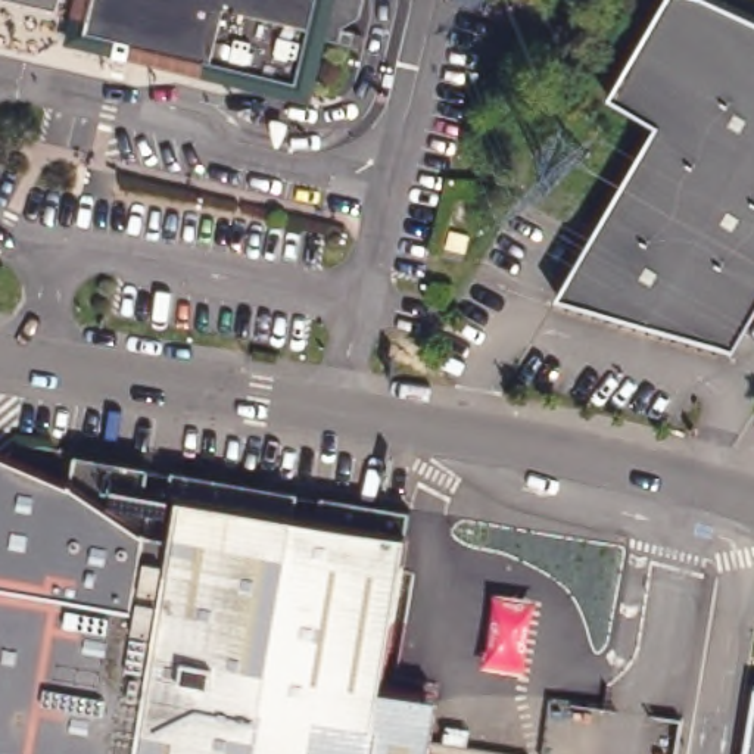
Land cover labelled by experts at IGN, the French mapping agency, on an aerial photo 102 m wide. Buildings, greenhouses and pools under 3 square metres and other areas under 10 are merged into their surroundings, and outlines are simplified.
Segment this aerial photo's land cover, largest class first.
<instances>
[{"label":"impervious surface","instance_id":"1","mask_svg":"<svg viewBox=\"0 0 754 754\"><path fill-rule=\"evenodd\" d=\"M504 0H336L330 12V32L336 35V47L353 53L350 80L345 82L339 97H330L327 88L318 85L309 97V109H289L274 124L256 121L250 112H244L239 85H221L162 68H144L130 62L127 53L94 56L68 47L65 35L59 32L65 0H50L47 9H38L12 0H0V103L21 100L32 103L41 112L38 141L24 147L27 171L18 177L15 186H6V197H0V265L12 268L21 280L18 306L12 312H0V459L56 486L65 483L71 459L144 468L147 486L121 474L112 480V492L121 495L168 501L171 507H191L242 518L312 527L327 533L398 542L404 548V580L389 636L386 666L380 677V695L433 707L436 722L430 730L433 742L427 745V754H742L745 716L754 689V330H742L733 348H716L651 327H642L639 333H624L621 327H610L601 321H589L583 315L554 309V292L568 274L571 262L577 259L586 236L601 218L639 144L645 141V130L627 121L613 156L607 159L595 186L583 197L580 209L560 224L557 218L536 209L545 191L533 183L530 191H524L515 200L512 215L495 230V242L489 247V259H483L480 265L477 283L471 286L465 300H457L430 309L424 303L427 286L424 274L430 271V265L424 262V244L430 242L436 224L433 206L439 203L442 180H451L457 171L448 156L457 153L459 133L474 127L471 112L465 109V91L459 85L477 80V65L457 50L454 18L457 12L492 15V6ZM50 162L71 165V194L35 186L44 165ZM109 162L124 171H138L174 183H191L197 189L244 200H277L289 209L336 218L345 227L353 233V247L336 268H324L321 262L324 242L318 236L300 239V233L292 230L274 233L259 215H247L239 209H218L200 200L191 203L127 191L118 186V177L109 168ZM94 274H112V309L124 318L133 315L135 321H147L153 315L156 330L194 327L200 333L242 336L250 345L247 350H171L159 342L127 339L115 336L106 327L80 324L74 318V295ZM312 321L327 327L330 333L327 353L318 365H309L303 350L309 342ZM442 327L448 336L465 339V350L459 353V359H448L445 365H427L418 356V348L427 345L430 336H436ZM530 348L557 356V368L548 380L560 395L571 392V406H545L542 401L512 404L504 395L501 365L518 362ZM639 383H654L666 392V398L657 401V412H686L689 395H698L704 412L695 421V427L672 430L666 439H660L648 424H613L610 415L583 418L577 409L589 401L595 406H627Z\"/></svg>","mask_w":754,"mask_h":754},{"label":"building","instance_id":"2","mask_svg":"<svg viewBox=\"0 0 754 754\"><path fill-rule=\"evenodd\" d=\"M38 9H47L50 0H12ZM336 0H65L59 32L65 35L68 47L94 56L127 53L130 62L144 68H162L221 85H239L244 112H250L256 121L274 124L289 109H309V97L318 85L327 53L336 47V35L330 32V12ZM610 112H619L627 121L645 130V141L639 144L601 218L586 236L577 259L571 262L568 274L554 292V309L583 315L589 321H601L610 327H621L624 333H639L642 327H651L716 348H733L742 330H754V0H660L604 100ZM121 474L147 486L144 468L71 459L65 483L56 486L0 459V754H427V745L433 742L430 730L436 722L433 707L380 695V677L386 666L389 636L404 580V548L398 542L327 533L312 527L242 518L191 507H171L168 501L121 495L112 492V480ZM742 754H754V689L745 716Z\"/></svg>","mask_w":754,"mask_h":754},{"label":"herbaceous vegetation","instance_id":"3","mask_svg":"<svg viewBox=\"0 0 754 754\"><path fill-rule=\"evenodd\" d=\"M592 0H504L492 6V15L457 12L454 18L457 50L477 65V80L459 85L465 91V109L471 112L474 127L459 133L457 153L448 156L457 171L451 180H442L439 203L433 206L436 224L430 242L424 244V262L430 265V271L424 274L427 286H451L457 300H465L471 286L477 283L480 265L483 259H489V247L495 242V230L512 215L515 200L524 191H530L533 183L545 191L536 209L557 218L560 224L580 209L583 197L595 186L607 159L613 156L627 121L619 112H610L604 100L660 0H636L633 18L627 29L616 38L613 59L607 62L601 80L574 71V47L580 44L586 29L574 27L568 18ZM548 62H560L568 71H574L554 115H539L533 121L524 118L527 100L518 91L521 71H545ZM353 247V233L345 227L336 242H324L321 262L324 268H336ZM21 280L12 268L0 265V312H12L18 306ZM112 274H94L74 295V318L80 324L106 327L115 336L127 339L159 342L171 350H247L250 345L242 336L200 333L194 327L156 330L153 315L147 321H135L133 315L124 318L112 309ZM330 333L327 327L312 321L309 342L303 350L309 365H318L327 353Z\"/></svg>","mask_w":754,"mask_h":754},{"label":"brushwood","instance_id":"4","mask_svg":"<svg viewBox=\"0 0 754 754\"><path fill-rule=\"evenodd\" d=\"M353 53L336 47L327 53L318 85L327 88L330 97H339L345 82L350 80ZM41 112L32 103L21 100L0 103V197H6V186H15L18 177L27 171L24 147L38 141ZM35 186L71 194V165L50 162L44 165ZM109 168L118 177V186L127 191L191 203L200 200L218 209H239L247 215H259L274 233L292 230L300 233V239L318 236L324 242H336L345 227L336 218L289 209L277 200H244L197 189L191 183H174L138 171H124L109 162ZM557 368V356L530 348L518 362L501 365L504 395L512 404L542 401L545 406H571V392L560 395L548 380ZM666 398V392L654 383H639L627 406H595L589 401L577 409L583 418L610 415L613 424H648L660 439H666L672 430L695 427V421L704 412L698 395H689L686 412H657V401Z\"/></svg>","mask_w":754,"mask_h":754},{"label":"deciduous trees","instance_id":"5","mask_svg":"<svg viewBox=\"0 0 754 754\"><path fill-rule=\"evenodd\" d=\"M636 0H592L568 18L574 27L586 29L580 44L574 47V71L601 80L607 62L613 59L616 38L627 29L633 18ZM574 71H568L560 62H548L545 71H521L518 91L527 100L524 118L533 121L539 115H554ZM424 303L430 309L457 300L451 286H427ZM465 350V339L448 336L442 327L436 336H430L427 345L418 348V356L427 365H445L448 359H459V353Z\"/></svg>","mask_w":754,"mask_h":754}]
</instances>
